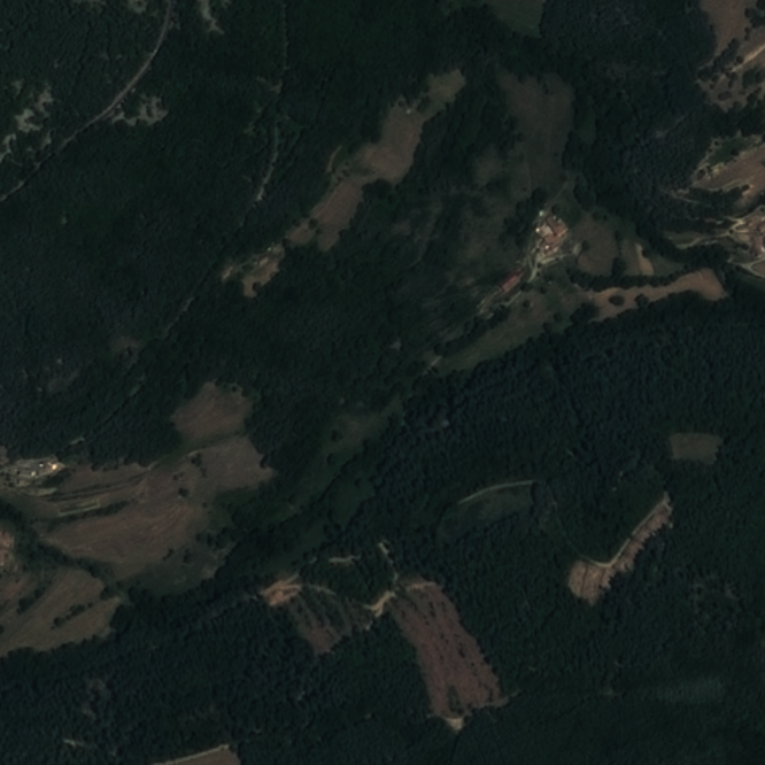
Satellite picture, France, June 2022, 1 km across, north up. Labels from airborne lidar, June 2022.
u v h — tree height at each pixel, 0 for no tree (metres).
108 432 15
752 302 21
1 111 17
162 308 19
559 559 24
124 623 19
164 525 0
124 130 18
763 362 17
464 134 19
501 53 25
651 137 13
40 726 19
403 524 16
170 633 19
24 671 25
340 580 13
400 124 0
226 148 22
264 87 26
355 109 19
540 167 0
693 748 11
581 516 6
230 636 21
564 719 18
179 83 14
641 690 13
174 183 18
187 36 14
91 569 10
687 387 19
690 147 10
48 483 6
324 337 19
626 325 26
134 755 21
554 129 0
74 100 12
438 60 21
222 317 16
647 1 11
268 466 19
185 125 19
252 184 16
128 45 12
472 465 14
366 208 11
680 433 6
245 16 17
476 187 0
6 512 20
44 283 15
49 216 16
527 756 19
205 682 17
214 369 17
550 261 0
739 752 14
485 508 0
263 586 20
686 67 12
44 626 0
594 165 20
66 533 0
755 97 13
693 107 16
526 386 27
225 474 0
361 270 15
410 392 13
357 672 19
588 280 16
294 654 26
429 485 23
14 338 18
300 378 19
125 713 21
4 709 25
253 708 17
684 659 11
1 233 16
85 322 20
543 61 26
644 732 17
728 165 0
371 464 19
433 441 20
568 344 25
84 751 25
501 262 0
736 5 0
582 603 26
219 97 20
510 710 18
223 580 24
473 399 16
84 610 12
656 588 14
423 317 10
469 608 14
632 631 25
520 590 8
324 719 17
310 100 22
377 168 0
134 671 22
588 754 16
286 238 8
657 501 0
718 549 17
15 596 0
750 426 17
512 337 0
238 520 16
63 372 16
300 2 16
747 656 14
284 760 21
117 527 0
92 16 18
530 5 0
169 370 12
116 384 18
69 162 19
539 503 19
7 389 16
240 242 16
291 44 10
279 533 23
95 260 18
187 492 11
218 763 0
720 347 24
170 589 0
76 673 16
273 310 17
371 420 0
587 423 23
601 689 14
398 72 15
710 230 15
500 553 7
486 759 23
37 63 15
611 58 8
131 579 0
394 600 6
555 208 10
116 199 17
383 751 18
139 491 0
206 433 0
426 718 11
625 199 21
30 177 13
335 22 15
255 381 12
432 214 0
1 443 14
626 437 13
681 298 22
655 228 24
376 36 18
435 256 11
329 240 0
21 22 20
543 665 15
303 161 18
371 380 16
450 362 0
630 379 22
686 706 11
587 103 15
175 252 17
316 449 14
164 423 17
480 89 7
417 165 9
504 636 16
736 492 19
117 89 15
